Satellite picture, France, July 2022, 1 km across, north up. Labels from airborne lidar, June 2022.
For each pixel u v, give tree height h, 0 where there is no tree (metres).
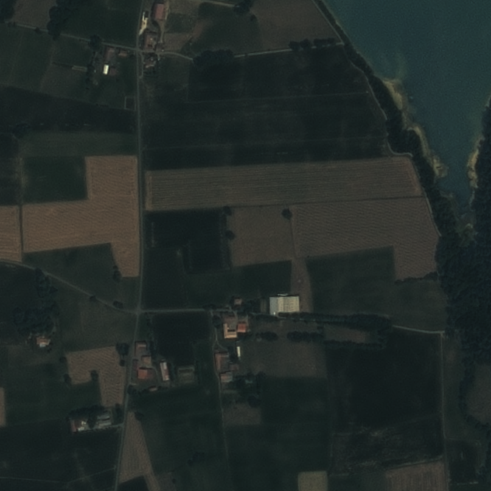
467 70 0
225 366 0
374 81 8
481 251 25
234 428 0
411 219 0
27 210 0
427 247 0
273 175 0
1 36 0
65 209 0
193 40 0
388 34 0
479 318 16
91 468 0
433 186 15
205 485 0
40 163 0
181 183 0
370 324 22
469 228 0
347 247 0
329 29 0
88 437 0
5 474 0
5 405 0
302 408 0
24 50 0
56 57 0
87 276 0
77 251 0
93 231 0
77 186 0
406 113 0
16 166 0
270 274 0
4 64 0
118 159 0
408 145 15
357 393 0
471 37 0
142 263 0
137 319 0
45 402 0
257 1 0
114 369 0
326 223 0
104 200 0
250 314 9
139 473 0
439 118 0
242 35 0
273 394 0
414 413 0
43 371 0
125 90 0
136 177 0
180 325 0
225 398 0
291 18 0
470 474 0
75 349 0
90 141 0
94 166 0
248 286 0
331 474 0
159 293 0
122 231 0
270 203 0
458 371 0
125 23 0
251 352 0
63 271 0
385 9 0
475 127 0
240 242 0
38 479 0
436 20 0
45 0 0
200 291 0
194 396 0
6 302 0
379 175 0
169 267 0
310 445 0
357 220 0
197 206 0
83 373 0
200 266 0
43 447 0
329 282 0
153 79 0
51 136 0
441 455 0
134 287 0
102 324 0
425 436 0
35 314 21
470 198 0
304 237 0
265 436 0
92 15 0
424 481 0
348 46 10
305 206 0
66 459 0
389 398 0
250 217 0
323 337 16
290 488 0
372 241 0
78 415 14
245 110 0
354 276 0
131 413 0
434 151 0
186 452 0
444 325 0
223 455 0
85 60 0
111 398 0
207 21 0
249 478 0
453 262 9
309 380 0
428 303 0
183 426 0
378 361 0
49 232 0
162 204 0
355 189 0
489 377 0
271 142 0
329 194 0
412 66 0
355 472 0
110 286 0
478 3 0
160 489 0
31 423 0
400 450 0
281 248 0
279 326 0
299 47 15
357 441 0
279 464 0
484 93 0
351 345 14
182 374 0
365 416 0
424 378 0
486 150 24
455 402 0
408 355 0
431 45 0
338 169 0
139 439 0
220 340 0
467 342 20
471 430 0
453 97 0
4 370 0
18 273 0
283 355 0
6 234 0
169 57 0
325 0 0
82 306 0
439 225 9
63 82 0
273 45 0
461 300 24
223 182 0
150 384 0
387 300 0
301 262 0
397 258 0
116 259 0
